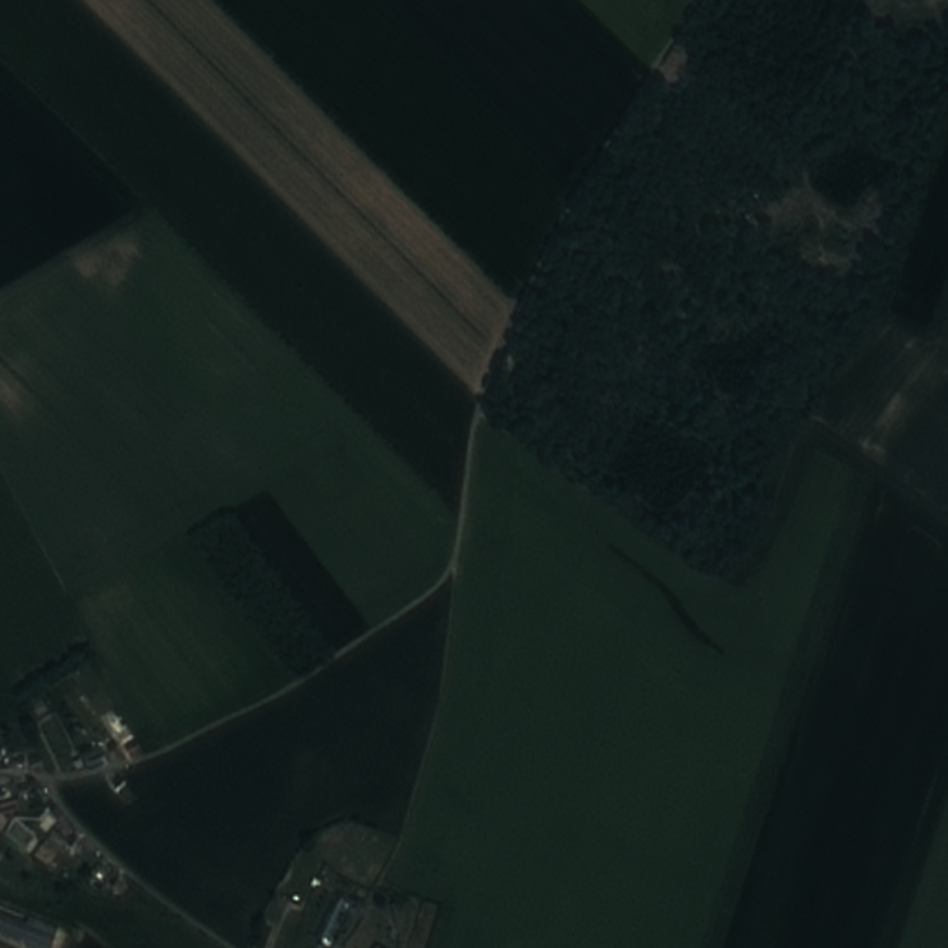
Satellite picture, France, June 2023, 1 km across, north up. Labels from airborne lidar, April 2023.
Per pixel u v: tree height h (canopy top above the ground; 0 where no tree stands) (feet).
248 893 0
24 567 0
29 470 0
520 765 0
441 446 0
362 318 0
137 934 0
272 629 44
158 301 0
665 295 75
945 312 0
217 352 0
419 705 0
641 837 0
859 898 0
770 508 46
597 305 59
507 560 0
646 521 56
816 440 0
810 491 0
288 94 0
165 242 0
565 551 0
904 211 60
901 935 0
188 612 0
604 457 55
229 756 0
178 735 0
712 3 57
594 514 0
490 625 0
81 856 0
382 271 0
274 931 0
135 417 0
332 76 0
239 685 0
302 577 0
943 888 0
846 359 72
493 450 0
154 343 0
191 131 0
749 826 0
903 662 0
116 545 0
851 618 0
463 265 0
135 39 0
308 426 0
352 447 0
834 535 0
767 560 0
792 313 80
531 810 0
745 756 0
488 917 0
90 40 0
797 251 49
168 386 0
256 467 0
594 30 0
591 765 0
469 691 0
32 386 0
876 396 0
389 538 0
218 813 0
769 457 60
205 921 0
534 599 0
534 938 0
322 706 0
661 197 75
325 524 0
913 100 32
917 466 0
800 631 0
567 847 0
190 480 0
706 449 21
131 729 0
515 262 0
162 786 0
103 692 0
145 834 0
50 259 0
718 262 90
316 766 0
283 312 0
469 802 0
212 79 0
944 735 0
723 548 63
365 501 0
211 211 0
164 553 0
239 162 0
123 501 0
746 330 79
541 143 0
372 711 0
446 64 0
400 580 0
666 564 0
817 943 0
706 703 0
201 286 0
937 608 0
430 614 0
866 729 0
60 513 0
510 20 0
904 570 0
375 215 0
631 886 0
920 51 77
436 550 0
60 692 0
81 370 0
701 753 0
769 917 0
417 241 0
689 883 0
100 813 0
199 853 0
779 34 56
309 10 0
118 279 0
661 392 71
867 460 0
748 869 0
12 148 0
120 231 0
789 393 76
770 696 0
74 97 0
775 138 67
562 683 0
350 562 0
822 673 0
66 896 37
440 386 0
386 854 0
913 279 0
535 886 0
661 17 0
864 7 83
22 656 0
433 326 0
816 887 0
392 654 0
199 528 42
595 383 59
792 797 0
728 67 52
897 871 0
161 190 0
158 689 0
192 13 0
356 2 0
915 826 0
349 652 0
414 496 0
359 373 0
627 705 0
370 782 0
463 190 0
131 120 0
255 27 0
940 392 0
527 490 0
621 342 65
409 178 0
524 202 0
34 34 0
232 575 35
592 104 0
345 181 0
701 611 0
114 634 0
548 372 56
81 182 0
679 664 0
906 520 0
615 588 0
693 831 0
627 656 0
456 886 0
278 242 0
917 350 0
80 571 0
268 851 0
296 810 0
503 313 0
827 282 78
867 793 0
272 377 0
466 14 0
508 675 0
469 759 0
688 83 56
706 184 69
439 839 0
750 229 89
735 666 0
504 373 55
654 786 0
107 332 0
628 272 76
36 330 0
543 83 0
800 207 73
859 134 76
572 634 0
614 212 65
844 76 72
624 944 0
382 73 0
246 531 38
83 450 0
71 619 0
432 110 0
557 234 52
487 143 0
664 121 49
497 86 0
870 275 86
